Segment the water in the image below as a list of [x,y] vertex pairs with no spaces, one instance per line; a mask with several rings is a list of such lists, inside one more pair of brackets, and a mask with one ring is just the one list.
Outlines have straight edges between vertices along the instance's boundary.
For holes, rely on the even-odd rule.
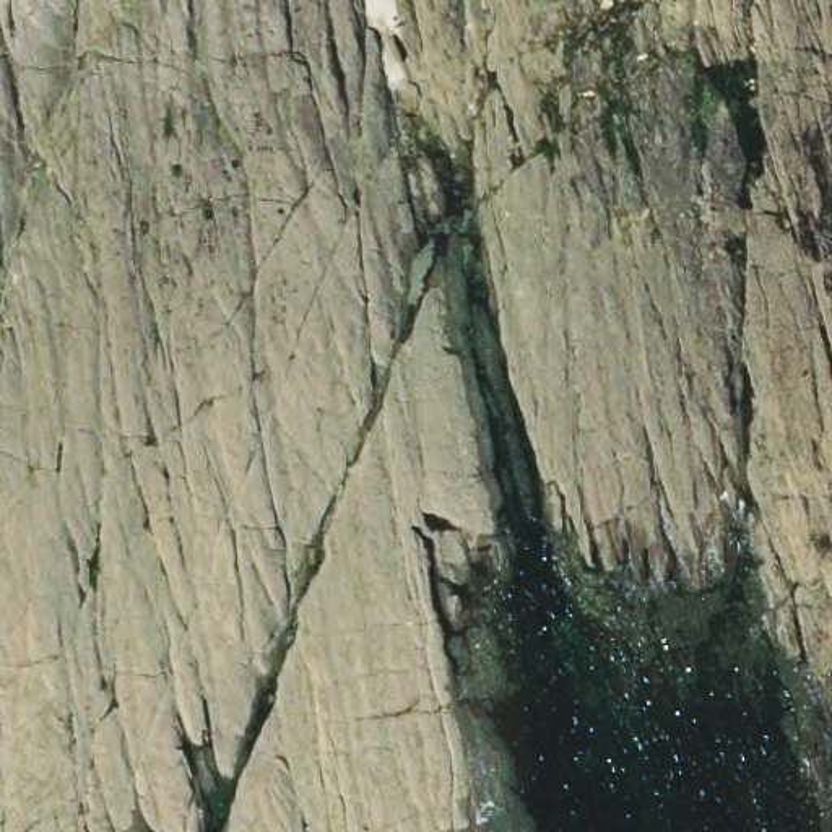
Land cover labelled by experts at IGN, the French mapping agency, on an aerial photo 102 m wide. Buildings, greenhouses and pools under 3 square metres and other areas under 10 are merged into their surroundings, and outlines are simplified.
[[221,777],[215,764],[211,741],[192,744],[185,735],[176,741],[189,767],[192,800],[202,809],[202,826],[195,832],[228,832],[237,783],[250,764],[257,738],[276,699],[276,683],[263,676],[228,777]]
[[494,530],[481,533],[478,556],[468,562],[465,579],[455,582],[442,572],[429,579],[429,601],[442,634],[452,715],[462,735],[462,761],[468,780],[462,800],[462,832],[832,832],[832,673],[826,679],[813,679],[809,657],[787,657],[777,647],[777,637],[764,627],[761,618],[767,595],[761,588],[761,559],[754,556],[754,549],[728,549],[722,556],[722,579],[705,582],[699,588],[686,585],[679,572],[679,556],[673,553],[666,556],[666,582],[650,601],[634,601],[624,588],[611,582],[595,585],[595,592],[601,592],[611,601],[611,614],[618,618],[614,627],[605,627],[588,614],[579,614],[575,621],[566,618],[569,595],[553,569],[553,523],[546,510],[543,478],[536,468],[536,455],[527,436],[517,393],[510,387],[497,309],[488,283],[488,254],[475,208],[475,143],[462,140],[458,146],[445,150],[439,137],[423,140],[416,143],[416,150],[423,150],[432,166],[442,208],[439,215],[426,215],[413,228],[413,241],[419,247],[432,247],[423,289],[445,289],[445,351],[462,364],[468,413],[475,419],[478,478],[488,488],[494,510]]

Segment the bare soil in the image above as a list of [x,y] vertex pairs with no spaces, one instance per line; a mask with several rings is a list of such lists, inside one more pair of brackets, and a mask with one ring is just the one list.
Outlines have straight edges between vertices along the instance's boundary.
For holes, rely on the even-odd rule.
[[468,780],[462,761],[462,735],[452,715],[442,634],[429,601],[429,579],[442,572],[455,582],[465,579],[468,562],[478,556],[481,533],[494,530],[494,510],[488,488],[478,478],[475,419],[468,413],[462,364],[445,351],[445,289],[423,289],[432,247],[419,247],[413,241],[413,228],[426,215],[439,215],[442,208],[432,166],[423,150],[416,150],[416,143],[423,140],[439,137],[445,150],[458,146],[462,140],[475,143],[475,208],[488,254],[488,283],[497,309],[510,387],[517,393],[527,436],[536,455],[536,468],[543,478],[546,510],[553,523],[553,569],[569,595],[566,618],[575,621],[579,614],[588,614],[605,627],[614,627],[618,618],[611,614],[611,601],[601,592],[595,592],[595,585],[611,582],[624,588],[634,601],[650,601],[666,582],[666,556],[673,553],[679,556],[679,572],[686,585],[699,588],[705,582],[722,579],[722,556],[728,549],[754,549],[754,556],[761,559],[761,588],[767,595],[761,618],[764,627],[777,637],[777,647],[787,657],[809,657],[813,679],[826,679],[832,673],[832,0],[0,0],[0,832],[195,832],[202,826],[202,809],[192,800],[189,767],[176,741],[185,735],[192,744],[211,741],[215,764],[221,777],[228,777],[263,676],[276,683],[276,699],[257,738],[250,764],[237,783],[228,832],[462,832],[462,800]]

